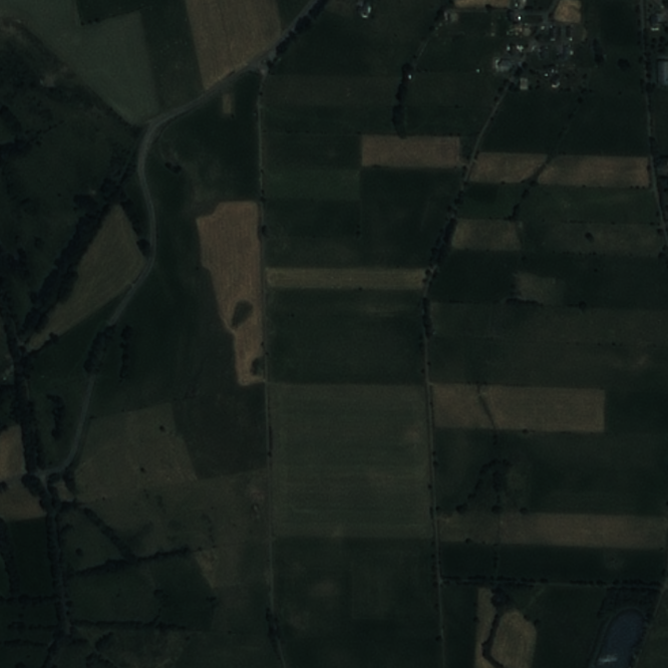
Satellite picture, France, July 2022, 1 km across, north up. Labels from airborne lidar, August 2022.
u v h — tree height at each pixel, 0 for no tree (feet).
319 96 0
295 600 0
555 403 0
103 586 0
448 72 0
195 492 0
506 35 0
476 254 0
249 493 0
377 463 0
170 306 0
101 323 0
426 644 0
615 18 0
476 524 0
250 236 0
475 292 0
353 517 0
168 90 0
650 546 0
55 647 51
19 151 70
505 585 26
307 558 0
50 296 70
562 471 0
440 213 0
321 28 0
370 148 0
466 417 0
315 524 0
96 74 0
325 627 0
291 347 0
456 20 0
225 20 0
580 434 0
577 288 0
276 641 17
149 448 0
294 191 0
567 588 0
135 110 0
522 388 0
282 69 0
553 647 0
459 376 0
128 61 0
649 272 0
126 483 0
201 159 0
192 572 0
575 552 0
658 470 0
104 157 0
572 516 0
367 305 0
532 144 0
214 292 0
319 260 0
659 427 0
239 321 0
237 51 0
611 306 0
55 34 0
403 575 0
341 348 0
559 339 0
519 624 0
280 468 0
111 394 0
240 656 0
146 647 0
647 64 33
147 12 0
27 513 0
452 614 0
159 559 31
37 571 0
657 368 0
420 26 0
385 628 0
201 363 0
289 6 0
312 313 0
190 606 0
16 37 0
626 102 0
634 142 0
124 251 0
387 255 0
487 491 0
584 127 0
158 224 0
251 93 0
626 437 0
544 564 0
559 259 0
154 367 0
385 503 0
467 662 0
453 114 0
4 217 0
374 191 0
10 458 0
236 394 0
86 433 0
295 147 0
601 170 0
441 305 0
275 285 0
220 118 0
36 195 0
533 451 0
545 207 0
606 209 0
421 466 0
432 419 0
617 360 0
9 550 53
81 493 0
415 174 0
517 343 0
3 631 0
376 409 0
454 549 0
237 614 0
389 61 0
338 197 0
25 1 0
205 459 0
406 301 0
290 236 0
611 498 0
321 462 0
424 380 0
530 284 0
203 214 0
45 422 0
